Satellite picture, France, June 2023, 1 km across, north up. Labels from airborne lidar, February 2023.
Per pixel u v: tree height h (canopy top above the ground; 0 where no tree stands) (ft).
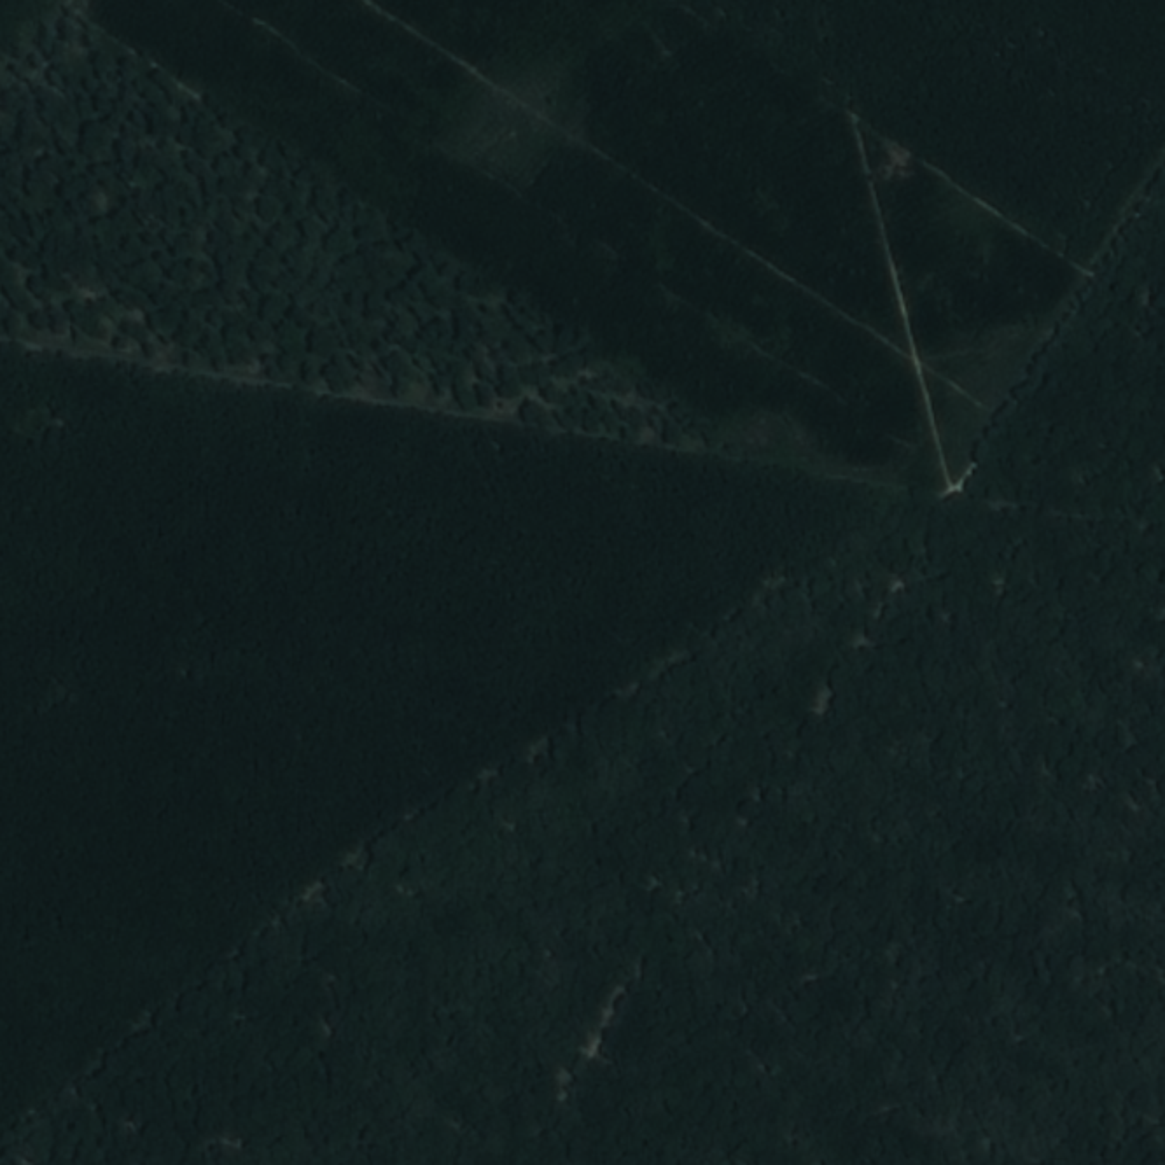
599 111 25
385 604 58
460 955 76
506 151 0
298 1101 83
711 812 73
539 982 72
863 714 73
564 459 66
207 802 68
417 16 23
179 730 56
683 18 28
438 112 25
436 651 57
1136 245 79
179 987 59
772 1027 73
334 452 61
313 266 92
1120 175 50
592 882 77
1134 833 81
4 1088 54
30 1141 77
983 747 74
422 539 66
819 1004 75
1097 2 57
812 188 24
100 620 63
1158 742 83
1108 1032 69
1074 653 74
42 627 65
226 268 99
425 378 94
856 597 74
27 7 86
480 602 63
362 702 63
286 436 62
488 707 59
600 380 107
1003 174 56
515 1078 71
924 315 22
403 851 69
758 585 62
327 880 65
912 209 19
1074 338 72
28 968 66
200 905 61
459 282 107
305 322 95
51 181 102
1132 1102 58
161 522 69
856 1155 69
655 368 23
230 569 67
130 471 73
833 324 19
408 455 67
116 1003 61
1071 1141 77
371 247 103
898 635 78
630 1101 80
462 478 67
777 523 64
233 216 96
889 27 51
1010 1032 84
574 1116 77
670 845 75
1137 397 85
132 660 66
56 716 61
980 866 60
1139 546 91
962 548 87
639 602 59
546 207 20
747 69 21
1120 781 82
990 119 48
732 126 19
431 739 57
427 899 76
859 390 20
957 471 0
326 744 58
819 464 0
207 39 24
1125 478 75
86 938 62
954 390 0
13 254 102
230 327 96
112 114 102
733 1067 74
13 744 65
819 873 79
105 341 96
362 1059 80
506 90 0
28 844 69
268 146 88
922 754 89
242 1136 87
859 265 21
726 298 18
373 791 56
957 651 75
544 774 68
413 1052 95
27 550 73
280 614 54
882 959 85
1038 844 84
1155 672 78
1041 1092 85
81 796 68
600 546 62
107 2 27
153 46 24
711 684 69
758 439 0
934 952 74
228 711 59
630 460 69
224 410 65
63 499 69
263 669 64
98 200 104
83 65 0
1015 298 19
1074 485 94
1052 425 86
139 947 58
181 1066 85
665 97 21
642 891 68
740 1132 69
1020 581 81
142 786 66
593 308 27
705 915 80
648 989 60
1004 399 0
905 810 79
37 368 70
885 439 30
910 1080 93
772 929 72
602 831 73
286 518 69
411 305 104
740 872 68
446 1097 84
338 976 89
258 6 20
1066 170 55
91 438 66
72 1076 62
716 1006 78
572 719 58
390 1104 83
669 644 60
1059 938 89
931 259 23
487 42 23
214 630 65
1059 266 27
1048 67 51
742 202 19
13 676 65
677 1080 87
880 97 61
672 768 85
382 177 26
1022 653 80
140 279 92
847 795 83
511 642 63
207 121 97
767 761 85
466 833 40
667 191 26
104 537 70
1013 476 90
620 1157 73
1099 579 76
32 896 63
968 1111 72
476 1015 85
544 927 77
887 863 85
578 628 60
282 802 55
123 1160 78
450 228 29
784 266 25
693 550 59
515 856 75
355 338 101
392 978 77
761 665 60
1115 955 80
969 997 64
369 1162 70
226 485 60
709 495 58
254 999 94
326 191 94
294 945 38
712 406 21
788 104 20
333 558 61
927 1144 85
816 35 65
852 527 55
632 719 89
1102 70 52
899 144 33
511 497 66
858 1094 78
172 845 60
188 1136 82
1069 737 83
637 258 30
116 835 68
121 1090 79
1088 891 71
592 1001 83
